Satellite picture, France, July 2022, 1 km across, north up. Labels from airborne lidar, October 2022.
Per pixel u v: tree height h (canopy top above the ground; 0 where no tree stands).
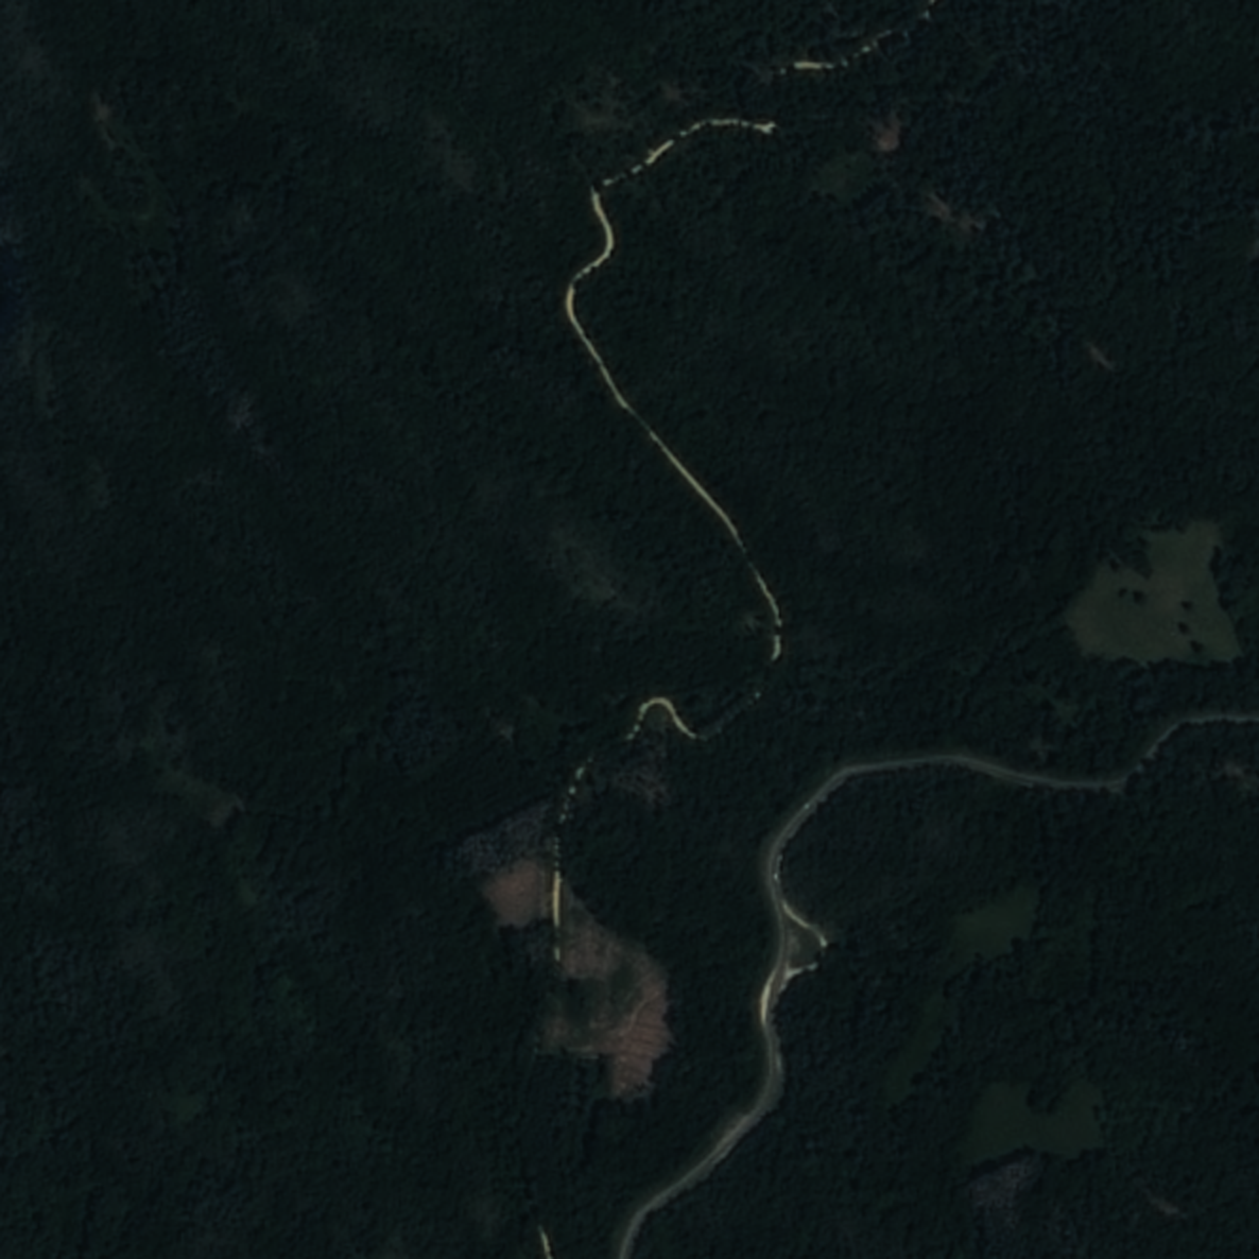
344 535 10
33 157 11
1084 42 15
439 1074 9
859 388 12
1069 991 6
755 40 15
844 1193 14
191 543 10
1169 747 10
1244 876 16
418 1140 13
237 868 8
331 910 17
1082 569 14
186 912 6
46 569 7
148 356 14
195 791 0
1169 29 15
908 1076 0
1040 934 10
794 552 11
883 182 7
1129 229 17
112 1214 18
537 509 9
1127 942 11
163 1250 14
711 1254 7
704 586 6
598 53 7
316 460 12
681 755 9
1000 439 11
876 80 9
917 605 7
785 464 8
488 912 21
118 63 17
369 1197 7
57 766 12
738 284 10
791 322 9
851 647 6
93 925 12
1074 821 19
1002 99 23
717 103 11
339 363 8
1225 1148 14
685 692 21
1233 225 14
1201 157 18
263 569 10
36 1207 21
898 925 14
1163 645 0
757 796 10
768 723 10
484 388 15
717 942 10
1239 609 24
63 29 13
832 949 11
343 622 15
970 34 15
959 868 9
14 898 13
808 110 12
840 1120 13
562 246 12
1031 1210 15
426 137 6
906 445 19
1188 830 10
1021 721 14
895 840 10
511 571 11
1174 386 12
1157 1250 9
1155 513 21
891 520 7
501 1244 9
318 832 15
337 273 13
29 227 7
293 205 24
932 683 22
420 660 6
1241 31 8
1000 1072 11
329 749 8
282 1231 7
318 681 10
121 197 18
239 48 11
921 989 16
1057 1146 0
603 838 11
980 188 29
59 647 13
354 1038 16
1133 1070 13
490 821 8
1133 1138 12
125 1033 18
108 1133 7
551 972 15
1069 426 16
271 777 12
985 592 19
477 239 8
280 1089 6
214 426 16
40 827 18
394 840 11
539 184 8
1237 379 9
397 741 23
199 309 25
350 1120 19
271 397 13
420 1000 6
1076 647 15
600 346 9
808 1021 18
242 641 13
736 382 8
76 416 9
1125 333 8
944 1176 11
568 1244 9
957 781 13
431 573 8
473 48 7
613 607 8
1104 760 24
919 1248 12
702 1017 14
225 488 13
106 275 11
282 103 13
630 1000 0
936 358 13
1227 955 9
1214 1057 24
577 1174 13
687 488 13
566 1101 17
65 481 8
